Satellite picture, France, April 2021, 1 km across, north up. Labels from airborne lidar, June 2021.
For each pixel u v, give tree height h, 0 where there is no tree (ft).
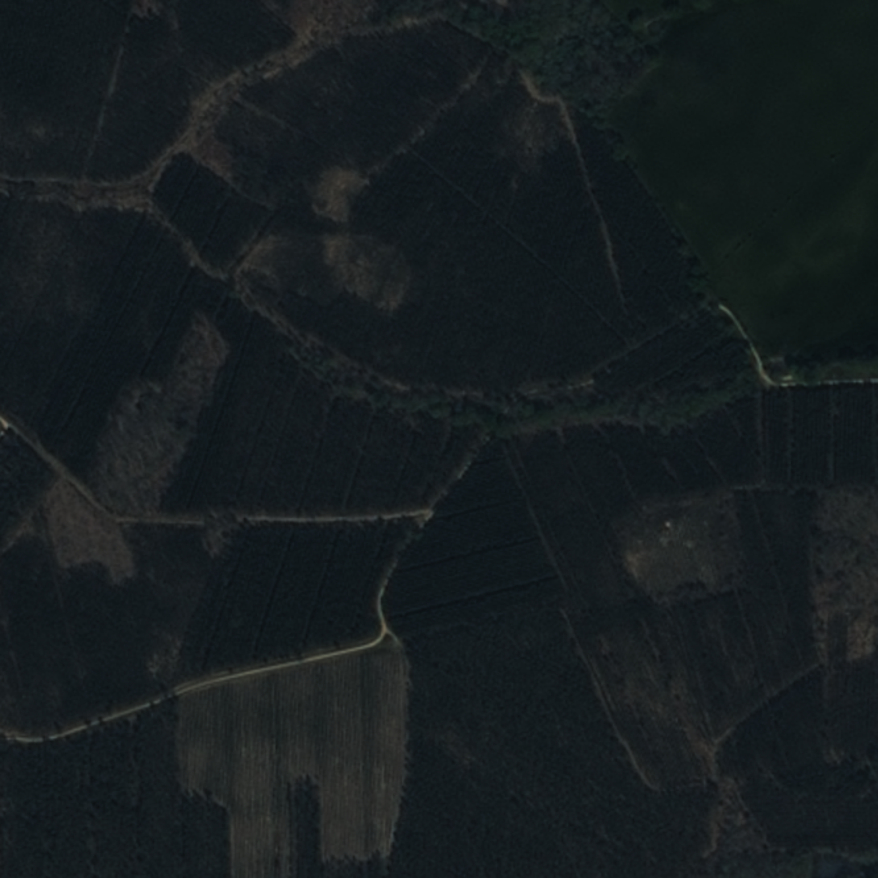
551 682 50
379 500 36
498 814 49
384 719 0
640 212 37
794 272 0
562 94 39
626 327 26
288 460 36
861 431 28
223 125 23
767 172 0
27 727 21
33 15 29
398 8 35
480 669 44
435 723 49
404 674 0
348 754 0
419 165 24
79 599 29
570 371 30
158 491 22
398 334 34
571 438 41
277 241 0
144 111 25
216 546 26
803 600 35
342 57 26
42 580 31
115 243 28
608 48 70
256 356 35
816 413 29
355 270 0
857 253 0
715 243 0
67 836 44
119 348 38
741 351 34
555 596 36
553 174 30
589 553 26
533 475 39
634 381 39
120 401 37
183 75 28
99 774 46
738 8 0
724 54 0
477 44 33
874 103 0
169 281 34
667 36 0
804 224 0
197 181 40
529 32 79
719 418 36
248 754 0
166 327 31
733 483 31
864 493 27
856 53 0
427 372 22
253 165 68
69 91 30
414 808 47
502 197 27
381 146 25
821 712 31
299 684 0
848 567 27
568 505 29
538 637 50
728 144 0
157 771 39
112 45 23
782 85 0
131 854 42
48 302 24
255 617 37
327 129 26
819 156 0
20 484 59
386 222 24
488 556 32
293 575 36
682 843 49
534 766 51
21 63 30
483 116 23
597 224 32
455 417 65
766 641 30
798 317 0
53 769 50
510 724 46
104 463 51
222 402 36
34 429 27
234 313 46
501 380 23
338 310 23
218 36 30
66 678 24
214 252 39
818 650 67
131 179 28
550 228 30
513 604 34
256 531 33
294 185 67
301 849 35
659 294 38
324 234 22
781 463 29
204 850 41
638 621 31
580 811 50
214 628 37
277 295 25
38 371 30
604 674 28
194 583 19
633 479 39
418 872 51
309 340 50
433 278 19
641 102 0
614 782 49
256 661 27
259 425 31
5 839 42
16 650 26
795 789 44
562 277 30
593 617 31
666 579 0
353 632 29
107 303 35
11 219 37
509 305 22
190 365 38
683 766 29
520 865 49
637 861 52
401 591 28
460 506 39
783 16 0
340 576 36
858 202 0
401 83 26
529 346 27
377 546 39
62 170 31
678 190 0
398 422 38
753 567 34
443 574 35
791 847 40
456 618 35
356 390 66
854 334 0
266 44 30
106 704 27
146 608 25
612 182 39
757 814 30
